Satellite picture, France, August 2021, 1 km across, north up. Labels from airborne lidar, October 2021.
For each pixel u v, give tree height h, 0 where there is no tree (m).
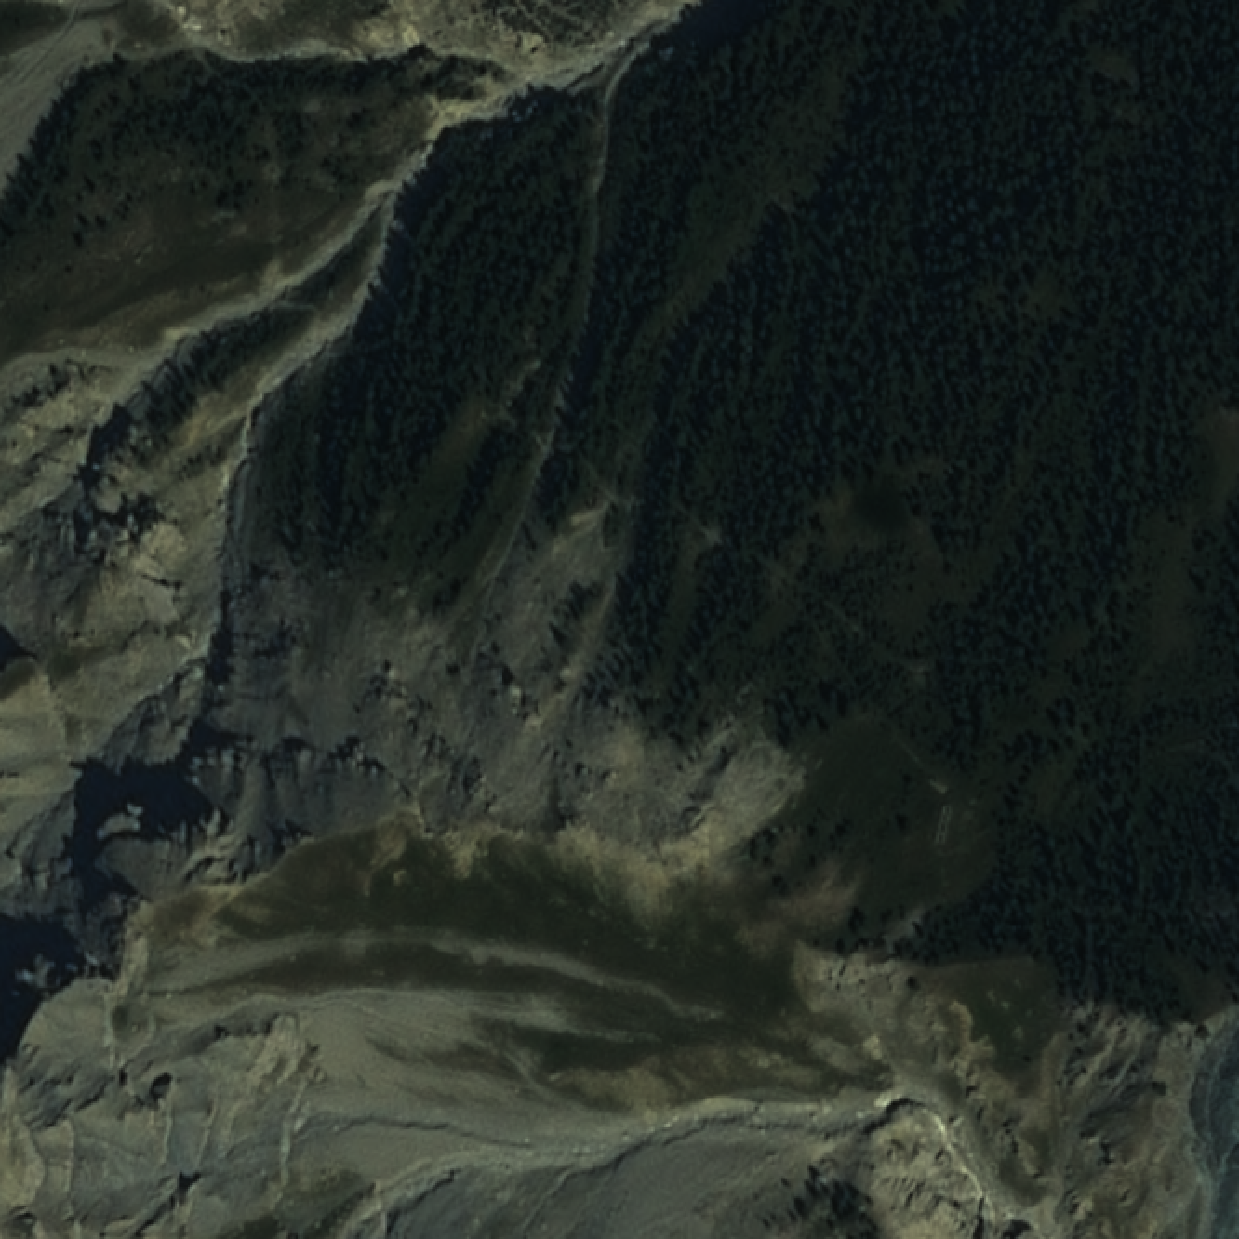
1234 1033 0
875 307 10
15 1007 0
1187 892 9
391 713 0
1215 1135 0
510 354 7
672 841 0
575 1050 0
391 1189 0
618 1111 0
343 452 9
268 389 0
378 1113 0
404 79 13
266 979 0
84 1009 0
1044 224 18
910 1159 0
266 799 0
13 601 0
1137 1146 0
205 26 0
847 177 10
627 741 0
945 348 11
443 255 9
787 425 6
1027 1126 0
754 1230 0
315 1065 0
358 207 0
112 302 0
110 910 0
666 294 12
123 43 0
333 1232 0
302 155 11
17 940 0
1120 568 15
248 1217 0
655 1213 0
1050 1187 0
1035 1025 0
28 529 0
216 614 0
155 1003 0
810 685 9
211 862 0
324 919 0
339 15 0
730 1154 0
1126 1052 0
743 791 0
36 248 0
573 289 12
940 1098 0
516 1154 0
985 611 7
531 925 0
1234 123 24
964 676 13
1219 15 18
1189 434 13
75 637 0
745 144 15
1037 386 12
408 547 0
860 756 0
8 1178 0
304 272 0
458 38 0
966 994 0
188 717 0
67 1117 0
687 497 15
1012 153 17
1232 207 22
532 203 7
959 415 10
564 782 0
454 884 0
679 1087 0
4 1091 0
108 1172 0
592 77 0
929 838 0
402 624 0
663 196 12
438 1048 0
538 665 0
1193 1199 0
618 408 17
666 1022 0
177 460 0
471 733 0
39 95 0
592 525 0
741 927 0
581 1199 0
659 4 0
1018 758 10
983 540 13
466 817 0
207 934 0
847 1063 0
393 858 0
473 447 0
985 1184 0
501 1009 0
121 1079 0
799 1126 0
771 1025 0
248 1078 0
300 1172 0
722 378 7
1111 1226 0
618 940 0
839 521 0
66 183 12
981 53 16
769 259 11
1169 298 21
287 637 0
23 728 0
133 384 0
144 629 0
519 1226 0
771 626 0
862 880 0
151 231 0
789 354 6
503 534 0
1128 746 6
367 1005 0
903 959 10
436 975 0
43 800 0
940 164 20
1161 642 0
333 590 0
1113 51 12
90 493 0
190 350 0
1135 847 16
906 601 0
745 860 0
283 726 0
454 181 9
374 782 0
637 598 18
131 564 0
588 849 0
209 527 0
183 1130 0
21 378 0
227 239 0
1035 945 14
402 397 14
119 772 0
